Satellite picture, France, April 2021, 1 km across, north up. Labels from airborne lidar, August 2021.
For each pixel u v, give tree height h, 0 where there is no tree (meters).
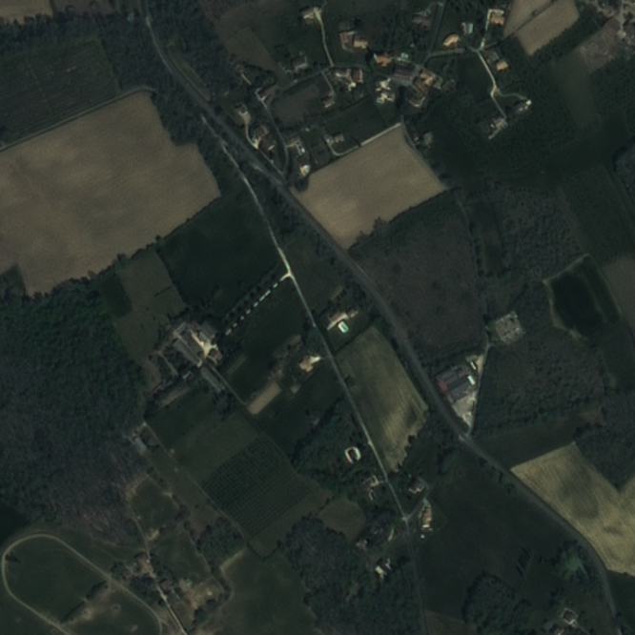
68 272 0
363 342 0
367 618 18
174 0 17
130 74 16
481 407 7
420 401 0
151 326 0
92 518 19
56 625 0
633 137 0
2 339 18
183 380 11
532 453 0
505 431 13
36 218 0
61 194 0
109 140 0
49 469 20
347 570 21
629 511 0
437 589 0
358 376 0
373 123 0
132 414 20
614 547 0
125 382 24
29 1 0
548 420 16
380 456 0
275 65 0
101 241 0
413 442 14
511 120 8
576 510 0
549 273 9
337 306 7
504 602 21
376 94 0
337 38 6
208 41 7
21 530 0
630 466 13
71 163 0
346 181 0
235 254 0
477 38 9
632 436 14
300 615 0
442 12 0
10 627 0
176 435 0
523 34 0
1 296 26
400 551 0
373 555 19
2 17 0
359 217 0
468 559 0
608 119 0
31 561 0
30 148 0
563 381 7
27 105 6
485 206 0
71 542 0
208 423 0
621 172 17
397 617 19
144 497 0
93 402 17
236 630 0
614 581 0
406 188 0
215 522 0
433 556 0
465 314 0
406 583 14
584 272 0
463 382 0
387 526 17
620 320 0
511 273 11
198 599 0
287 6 0
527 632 8
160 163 0
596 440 18
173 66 0
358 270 0
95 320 25
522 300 14
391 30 14
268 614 0
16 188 0
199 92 0
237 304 7
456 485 0
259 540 0
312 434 0
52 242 0
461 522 0
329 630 15
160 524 0
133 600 0
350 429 16
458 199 19
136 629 0
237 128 8
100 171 0
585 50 0
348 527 0
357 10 0
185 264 0
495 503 0
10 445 19
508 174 0
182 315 6
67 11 0
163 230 0
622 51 0
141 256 7
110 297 0
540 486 0
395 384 0
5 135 19
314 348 17
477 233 15
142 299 0
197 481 0
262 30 0
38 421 19
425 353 6
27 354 19
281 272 0
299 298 0
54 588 0
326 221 0
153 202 0
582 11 0
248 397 0
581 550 17
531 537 0
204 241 0
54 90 5
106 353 19
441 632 0
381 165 0
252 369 0
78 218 0
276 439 0
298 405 0
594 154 0
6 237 0
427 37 6
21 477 19
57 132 0
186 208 0
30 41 15
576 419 0
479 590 17
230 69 16
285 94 8
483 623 16
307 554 20
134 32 8
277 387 0
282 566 0
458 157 0
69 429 19
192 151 0
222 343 10
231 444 0
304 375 0
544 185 0
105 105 0
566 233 6
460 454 9
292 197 0
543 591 0
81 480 18
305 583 10
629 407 16
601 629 0
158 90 13
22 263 0
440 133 0
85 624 0
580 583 10
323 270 0
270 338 0
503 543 0
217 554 13
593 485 0
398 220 6
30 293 0
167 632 0
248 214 0
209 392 13
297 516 0
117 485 18
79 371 21
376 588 19
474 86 0
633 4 0
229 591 10
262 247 0
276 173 11
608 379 12
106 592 0
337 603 18
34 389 20
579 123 0
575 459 0
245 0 11
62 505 20
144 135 0
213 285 0
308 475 18
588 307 0
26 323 24
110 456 18
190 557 0
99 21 17
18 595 0
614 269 0
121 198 0
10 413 18
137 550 0
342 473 11
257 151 8
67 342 23
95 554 0
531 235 6
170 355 6
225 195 8
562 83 0
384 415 0
